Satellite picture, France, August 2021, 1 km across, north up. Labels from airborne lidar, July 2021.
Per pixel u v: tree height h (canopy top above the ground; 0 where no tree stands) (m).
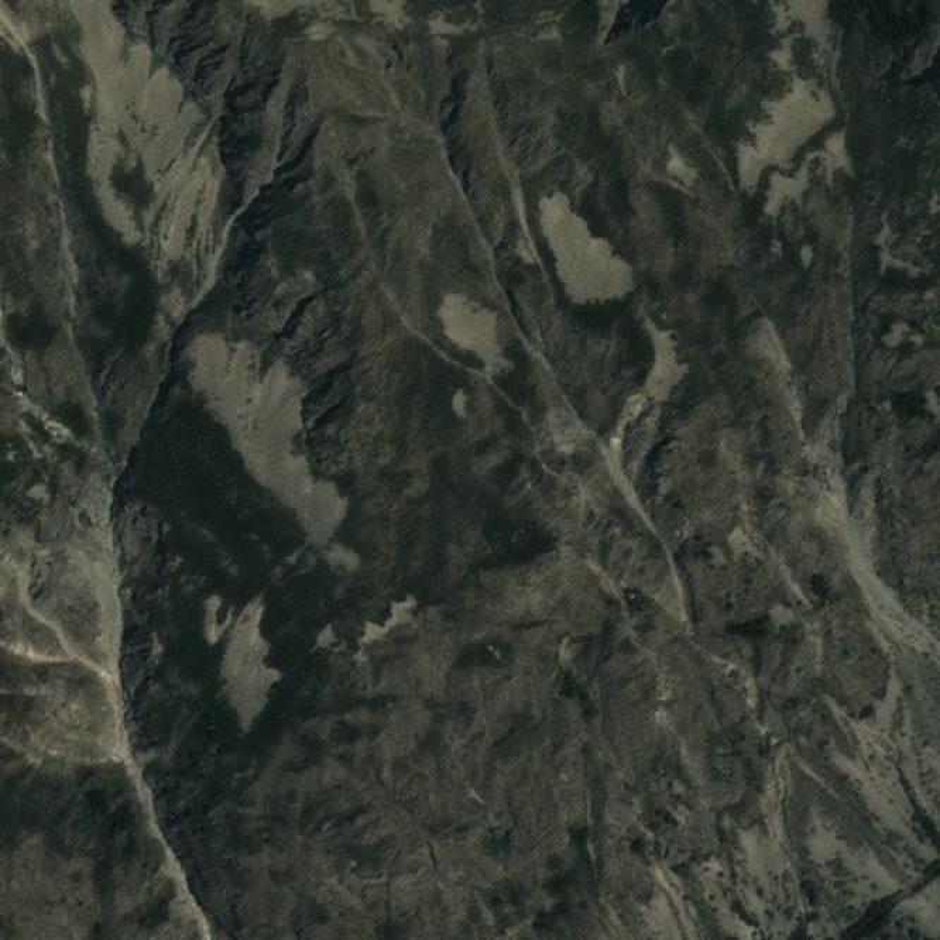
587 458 0
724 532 0
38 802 0
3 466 0
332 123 0
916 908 0
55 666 0
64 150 0
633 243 0
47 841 0
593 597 0
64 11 0
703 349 0
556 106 0
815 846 0
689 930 0
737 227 0
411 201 0
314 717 0
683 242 0
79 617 0
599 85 0
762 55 0
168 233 0
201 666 0
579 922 0
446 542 0
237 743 0
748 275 0
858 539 0
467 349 0
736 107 0
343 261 0
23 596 0
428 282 0
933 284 0
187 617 0
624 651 0
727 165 0
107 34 0
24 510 0
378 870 0
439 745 0
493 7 0
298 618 0
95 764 0
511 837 8
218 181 0
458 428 0
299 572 0
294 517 0
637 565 0
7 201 0
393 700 0
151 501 0
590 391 0
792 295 0
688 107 0
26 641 0
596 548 0
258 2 0
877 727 0
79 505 0
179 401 0
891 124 0
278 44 0
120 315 0
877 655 7
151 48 0
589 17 0
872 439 0
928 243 0
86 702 0
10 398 0
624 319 0
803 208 0
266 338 0
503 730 0
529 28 0
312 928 0
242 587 0
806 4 0
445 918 0
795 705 0
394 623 0
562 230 0
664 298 0
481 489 0
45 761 0
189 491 0
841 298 0
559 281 0
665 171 0
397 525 0
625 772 0
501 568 0
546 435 0
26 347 0
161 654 0
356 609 0
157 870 20
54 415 0
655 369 0
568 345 0
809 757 0
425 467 0
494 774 0
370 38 0
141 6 0
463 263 0
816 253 7
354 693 0
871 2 7
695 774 0
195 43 0
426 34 0
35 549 0
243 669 0
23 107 0
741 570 0
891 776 0
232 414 0
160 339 0
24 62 0
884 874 0
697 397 0
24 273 0
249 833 0
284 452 0
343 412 0
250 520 0
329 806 0
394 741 0
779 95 0
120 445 0
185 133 0
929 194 0
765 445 0
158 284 0
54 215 0
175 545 0
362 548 0
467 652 0
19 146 0
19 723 0
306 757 0
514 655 0
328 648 0
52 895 0
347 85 0
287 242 0
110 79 0
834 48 0
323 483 0
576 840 0
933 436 0
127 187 0
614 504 0
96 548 0
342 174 0
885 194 0
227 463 0
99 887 0
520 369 0
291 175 0
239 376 0
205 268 0
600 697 0
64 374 0
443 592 0
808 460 0
